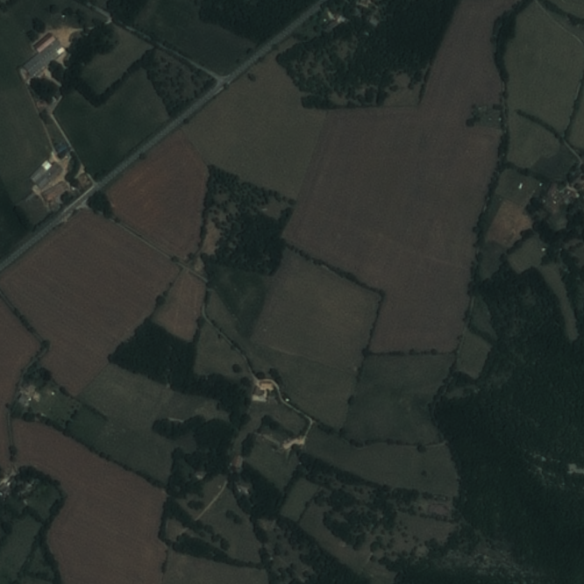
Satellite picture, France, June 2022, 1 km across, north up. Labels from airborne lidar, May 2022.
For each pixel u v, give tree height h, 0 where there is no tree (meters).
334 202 0
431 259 0
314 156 0
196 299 0
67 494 0
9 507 10
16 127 0
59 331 0
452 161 0
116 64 0
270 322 0
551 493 6
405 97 0
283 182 0
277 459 0
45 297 0
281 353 0
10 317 0
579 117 0
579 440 6
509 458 14
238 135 0
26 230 8
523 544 8
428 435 0
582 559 10
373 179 0
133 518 0
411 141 0
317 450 0
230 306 0
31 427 0
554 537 12
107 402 0
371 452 0
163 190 0
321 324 0
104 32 11
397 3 9
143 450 0
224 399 13
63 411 0
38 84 11
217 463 11
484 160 0
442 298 0
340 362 0
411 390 0
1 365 0
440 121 0
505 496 9
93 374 0
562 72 0
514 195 0
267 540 11
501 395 7
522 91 0
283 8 11
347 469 0
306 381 0
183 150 0
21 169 0
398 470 0
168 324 0
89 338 0
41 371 13
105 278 0
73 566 0
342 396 0
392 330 0
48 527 10
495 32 7
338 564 10
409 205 0
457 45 0
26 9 0
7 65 0
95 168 0
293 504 0
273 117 0
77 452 0
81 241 0
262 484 14
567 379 8
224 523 0
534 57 0
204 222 8
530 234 10
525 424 10
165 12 0
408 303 0
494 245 0
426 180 0
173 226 0
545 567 5
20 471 9
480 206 0
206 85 9
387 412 0
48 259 0
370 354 8
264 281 0
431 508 0
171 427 9
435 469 0
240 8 12
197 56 0
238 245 9
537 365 8
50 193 0
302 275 0
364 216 0
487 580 7
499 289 10
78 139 0
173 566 0
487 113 0
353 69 9
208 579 0
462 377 9
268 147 0
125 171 0
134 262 0
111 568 0
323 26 10
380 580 0
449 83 0
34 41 11
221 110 0
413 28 11
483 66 0
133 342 10
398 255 0
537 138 0
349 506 11
